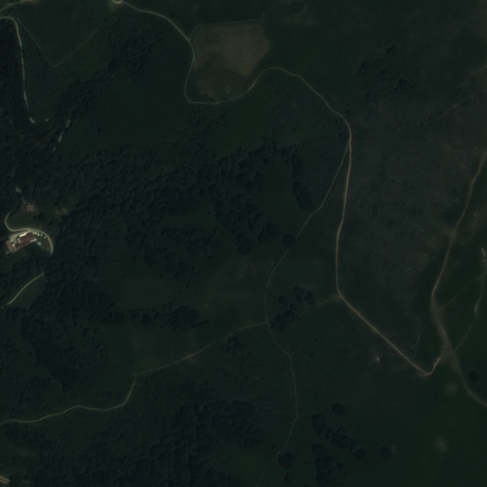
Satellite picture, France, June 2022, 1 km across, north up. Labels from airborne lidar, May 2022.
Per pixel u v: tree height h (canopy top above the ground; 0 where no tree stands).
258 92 0
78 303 23
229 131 0
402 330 0
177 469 27
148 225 25
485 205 0
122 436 16
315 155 0
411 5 0
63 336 15
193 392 12
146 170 15
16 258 8
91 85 15
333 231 0
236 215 20
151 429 9
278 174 0
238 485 12
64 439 8
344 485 6
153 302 0
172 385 8
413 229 0
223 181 29
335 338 0
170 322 10
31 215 0
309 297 16
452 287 0
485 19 0
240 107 0
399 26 0
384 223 0
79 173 20
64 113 15
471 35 0
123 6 0
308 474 0
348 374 0
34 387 18
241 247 17
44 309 18
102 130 7
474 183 0
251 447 15
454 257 0
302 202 20
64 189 27
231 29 0
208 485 17
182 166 11
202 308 0
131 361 0
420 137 0
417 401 0
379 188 0
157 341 0
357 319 0
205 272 0
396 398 0
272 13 0
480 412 0
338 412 20
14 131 17
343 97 0
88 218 25
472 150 0
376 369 0
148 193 21
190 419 18
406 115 0
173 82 0
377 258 0
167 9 0
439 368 0
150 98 0
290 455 16
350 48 0
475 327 0
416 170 0
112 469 14
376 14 0
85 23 0
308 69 0
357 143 0
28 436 13
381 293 0
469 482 0
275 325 14
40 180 10
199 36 0
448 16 0
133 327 0
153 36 7
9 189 26
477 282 0
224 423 30
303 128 0
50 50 0
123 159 13
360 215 0
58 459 7
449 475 0
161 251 22
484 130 0
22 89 15
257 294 0
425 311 0
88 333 7
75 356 10
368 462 0
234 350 19
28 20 0
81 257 11
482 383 0
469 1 0
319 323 0
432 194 0
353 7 0
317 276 0
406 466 0
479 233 0
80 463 9
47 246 0
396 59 0
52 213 0
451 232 0
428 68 0
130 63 17
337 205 0
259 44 0
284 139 0
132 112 0
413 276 0
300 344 0
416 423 0
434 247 0
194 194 18
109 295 7
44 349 31
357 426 0
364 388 0
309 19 0
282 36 0
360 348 0
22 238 0
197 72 0
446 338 0
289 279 0
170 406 14
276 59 0
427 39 0
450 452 0
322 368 0
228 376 12
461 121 0
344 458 0
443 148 0
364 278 0
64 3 0
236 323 0
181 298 0
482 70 0
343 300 0
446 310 0
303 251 0
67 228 16
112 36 8
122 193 21
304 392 0
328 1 0
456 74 0
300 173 20
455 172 0
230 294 0
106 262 6
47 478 18
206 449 20
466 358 0
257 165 16
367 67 25
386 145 0
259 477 0
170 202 32
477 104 0
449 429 0
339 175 0
